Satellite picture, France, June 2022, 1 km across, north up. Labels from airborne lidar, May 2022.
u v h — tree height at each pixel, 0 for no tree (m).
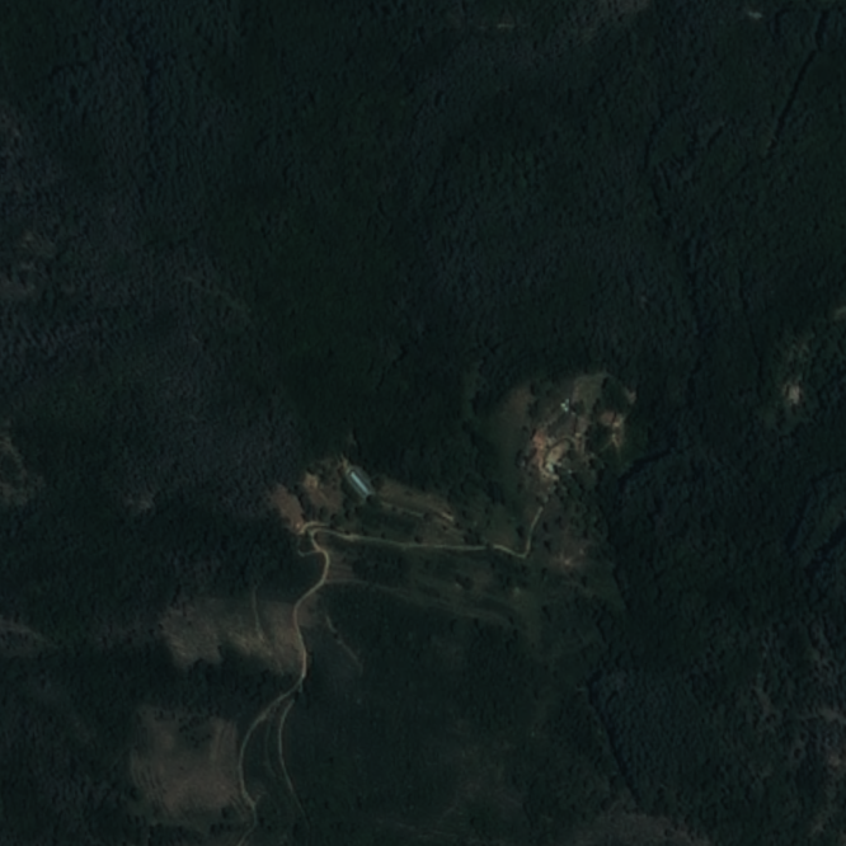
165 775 0
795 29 39
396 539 0
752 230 24
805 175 20
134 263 15
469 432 14
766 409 6
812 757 12
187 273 19
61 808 20
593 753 12
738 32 15
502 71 26
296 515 0
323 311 23
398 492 0
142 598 16
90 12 18
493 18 12
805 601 12
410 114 20
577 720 6
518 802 0
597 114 13
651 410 15
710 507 39
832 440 18
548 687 0
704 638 15
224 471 15
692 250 18
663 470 39
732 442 28
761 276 22
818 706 9
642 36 17
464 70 32
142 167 35
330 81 12
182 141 30
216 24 37
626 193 36
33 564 13
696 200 21
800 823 9
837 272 14
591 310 23
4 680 17
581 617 7
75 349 15
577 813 12
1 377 11
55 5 16
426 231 23
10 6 10
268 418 9
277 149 14
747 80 16
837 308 13
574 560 0
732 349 30
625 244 27
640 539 23
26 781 14
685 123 21
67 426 14
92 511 23
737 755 13
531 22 11
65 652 11
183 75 27
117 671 14
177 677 14
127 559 15
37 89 13
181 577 12
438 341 29
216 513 16
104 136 18
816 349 11
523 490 6
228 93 10
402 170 23
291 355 21
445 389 22
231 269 16
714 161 22
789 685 14
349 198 11
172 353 11
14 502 8
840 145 18
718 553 18
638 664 21
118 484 14
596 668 7
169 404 13
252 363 16
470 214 18
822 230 21
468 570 0
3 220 9
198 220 21
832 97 13
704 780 15
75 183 12
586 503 13
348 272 20
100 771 9
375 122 19
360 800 9
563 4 8
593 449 15
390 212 24
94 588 12
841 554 29
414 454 18
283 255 16
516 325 18
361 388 25
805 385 7
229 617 0
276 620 0
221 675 20
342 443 18
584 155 19
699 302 18
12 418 12
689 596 16
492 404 13
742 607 18
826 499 36
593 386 0
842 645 18
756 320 15
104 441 12
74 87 41
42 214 12
